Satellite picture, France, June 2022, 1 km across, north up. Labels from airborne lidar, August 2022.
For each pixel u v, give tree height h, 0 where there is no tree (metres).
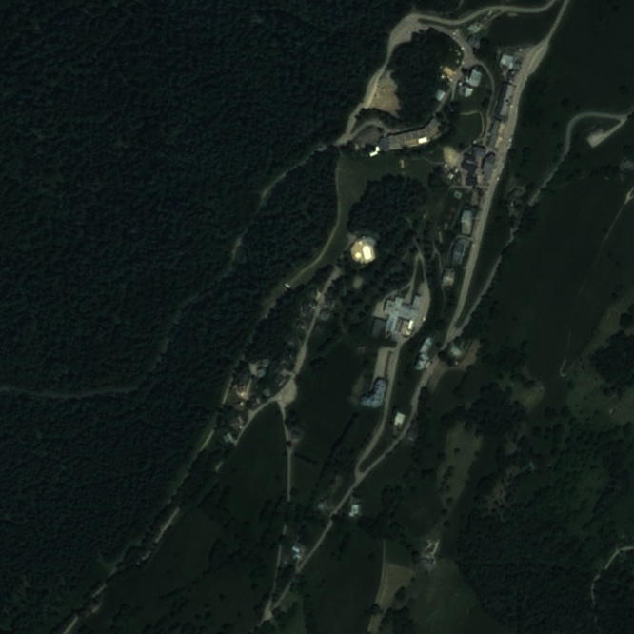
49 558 23
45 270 23
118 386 14
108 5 18
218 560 19
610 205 0
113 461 23
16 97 12
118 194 22
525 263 0
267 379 12
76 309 21
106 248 30
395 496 17
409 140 0
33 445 27
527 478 19
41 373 12
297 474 0
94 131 20
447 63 0
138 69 27
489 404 27
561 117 0
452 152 0
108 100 21
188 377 27
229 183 23
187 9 29
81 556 26
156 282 17
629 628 30
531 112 7
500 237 0
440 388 0
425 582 0
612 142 0
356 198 0
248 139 25
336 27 16
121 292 22
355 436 0
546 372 0
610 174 14
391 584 0
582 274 0
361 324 10
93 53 25
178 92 28
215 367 18
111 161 18
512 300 0
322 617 0
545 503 27
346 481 0
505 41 0
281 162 11
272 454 0
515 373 12
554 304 0
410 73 26
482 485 15
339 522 22
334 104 22
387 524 15
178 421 17
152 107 10
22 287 23
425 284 0
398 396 0
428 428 16
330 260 0
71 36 28
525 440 17
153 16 16
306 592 14
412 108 16
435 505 0
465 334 12
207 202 17
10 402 12
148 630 17
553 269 0
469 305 0
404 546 11
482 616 0
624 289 10
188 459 21
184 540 0
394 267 22
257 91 29
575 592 20
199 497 20
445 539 0
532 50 0
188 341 24
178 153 21
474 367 9
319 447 0
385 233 14
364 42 12
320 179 14
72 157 26
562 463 14
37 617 16
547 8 0
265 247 13
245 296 8
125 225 12
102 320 15
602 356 16
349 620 0
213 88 33
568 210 0
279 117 32
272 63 22
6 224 21
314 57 22
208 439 0
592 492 11
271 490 0
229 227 8
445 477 10
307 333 0
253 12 26
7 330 8
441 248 8
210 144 22
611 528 17
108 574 0
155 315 17
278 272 20
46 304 23
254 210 13
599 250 0
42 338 13
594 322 0
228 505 9
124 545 23
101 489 21
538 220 19
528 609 28
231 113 27
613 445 17
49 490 30
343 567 0
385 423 0
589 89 0
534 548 17
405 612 18
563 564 11
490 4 0
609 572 13
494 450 0
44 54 29
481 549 20
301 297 17
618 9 10
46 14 28
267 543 19
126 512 22
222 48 30
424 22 0
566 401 0
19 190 26
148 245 13
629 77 0
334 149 17
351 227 17
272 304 0
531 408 0
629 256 0
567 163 12
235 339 20
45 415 18
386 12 10
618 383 18
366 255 0
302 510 20
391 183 23
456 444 0
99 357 21
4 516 25
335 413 0
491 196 0
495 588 15
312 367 16
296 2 25
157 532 23
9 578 14
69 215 13
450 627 0
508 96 0
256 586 14
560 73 0
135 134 19
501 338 0
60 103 22
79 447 20
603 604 25
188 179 11
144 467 25
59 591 19
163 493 19
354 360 0
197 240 20
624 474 14
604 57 0
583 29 0
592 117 0
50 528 16
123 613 15
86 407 18
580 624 18
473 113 0
